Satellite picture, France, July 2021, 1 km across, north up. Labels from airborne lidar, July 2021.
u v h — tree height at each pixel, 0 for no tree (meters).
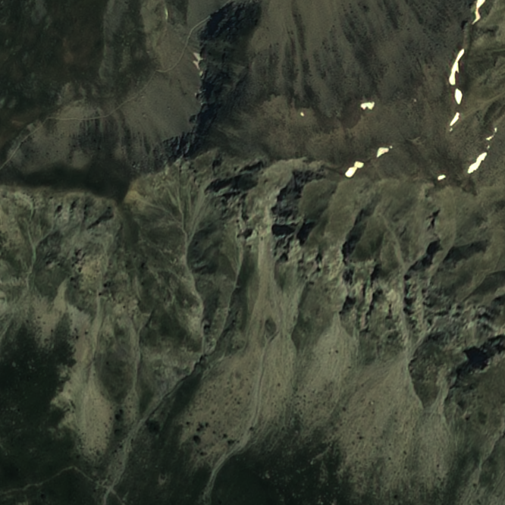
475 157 0
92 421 0
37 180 0
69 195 0
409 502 0
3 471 0
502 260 0
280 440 0
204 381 0
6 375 0
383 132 0
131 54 0
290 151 0
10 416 0
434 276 0
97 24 0
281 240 0
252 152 0
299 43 0
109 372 0
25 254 0
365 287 0
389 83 0
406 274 0
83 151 0
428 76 0
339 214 0
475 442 0
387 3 0
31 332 0
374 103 0
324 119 0
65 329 0
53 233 0
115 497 0
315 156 0
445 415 0
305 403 0
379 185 0
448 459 0
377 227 0
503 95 0
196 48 0
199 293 0
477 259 0
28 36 0
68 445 0
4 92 0
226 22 0
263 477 0
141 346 0
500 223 0
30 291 0
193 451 0
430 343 0
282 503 0
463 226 0
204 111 0
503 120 0
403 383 0
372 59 0
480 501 0
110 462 0
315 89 0
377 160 0
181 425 0
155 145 0
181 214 0
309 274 0
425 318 0
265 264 0
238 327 0
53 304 0
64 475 0
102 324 0
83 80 0
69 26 0
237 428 0
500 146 0
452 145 0
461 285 0
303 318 0
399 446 0
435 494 0
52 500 0
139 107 0
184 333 0
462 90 0
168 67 0
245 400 0
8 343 0
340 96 0
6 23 0
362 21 0
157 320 0
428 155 0
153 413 0
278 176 0
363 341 0
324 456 0
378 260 0
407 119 0
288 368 0
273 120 0
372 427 0
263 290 0
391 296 0
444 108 0
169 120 0
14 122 0
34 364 0
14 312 0
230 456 0
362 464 0
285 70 0
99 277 0
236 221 0
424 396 0
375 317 0
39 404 0
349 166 0
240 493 0
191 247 0
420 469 0
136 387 0
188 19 0
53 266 0
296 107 0
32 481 0
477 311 0
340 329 0
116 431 7
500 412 0
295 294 0
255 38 0
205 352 0
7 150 0
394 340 0
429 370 0
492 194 0
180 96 0
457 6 0
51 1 0
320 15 0
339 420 0
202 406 0
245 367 0
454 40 0
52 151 0
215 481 0
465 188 0
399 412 0
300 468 0
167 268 0
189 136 0
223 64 0
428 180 0
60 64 0
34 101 0
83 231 0
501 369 0
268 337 0
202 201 0
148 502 0
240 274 0
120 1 0
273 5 0
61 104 0
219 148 0
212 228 0
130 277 0
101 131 0
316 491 0
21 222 0
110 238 0
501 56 0
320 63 0
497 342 0
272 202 0
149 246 0
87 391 0
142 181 0
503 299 0
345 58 0
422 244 0
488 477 0
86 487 0
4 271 0
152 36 0
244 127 0
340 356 0
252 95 0
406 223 0
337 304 0
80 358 0
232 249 0
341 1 0
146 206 0
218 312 0
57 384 0
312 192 0
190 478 0
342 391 0
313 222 0
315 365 0
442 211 0
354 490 0
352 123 0
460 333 0
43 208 0
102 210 0
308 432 0
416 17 0
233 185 0
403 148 0
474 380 0
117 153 0
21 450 0
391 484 0
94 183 0
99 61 0
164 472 0
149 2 0
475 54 0
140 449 0
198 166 0
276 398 0
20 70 0
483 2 0
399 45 0
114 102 0
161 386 0
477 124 0
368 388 0
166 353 0
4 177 0
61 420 0
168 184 0
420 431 0
